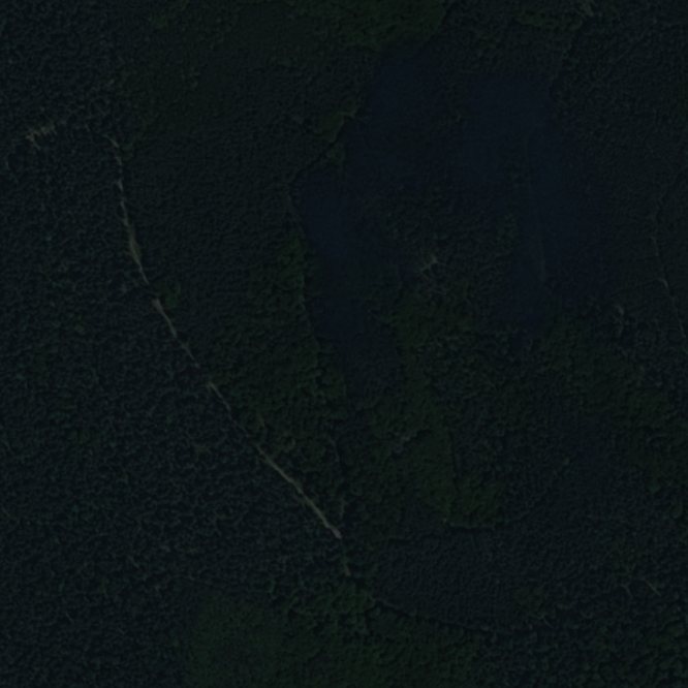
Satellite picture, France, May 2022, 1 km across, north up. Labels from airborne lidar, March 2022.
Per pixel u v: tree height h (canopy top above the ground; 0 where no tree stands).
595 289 20
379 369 24
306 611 22
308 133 25
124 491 23
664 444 20
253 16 18
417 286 13
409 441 19
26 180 27
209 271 14
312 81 21
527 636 26
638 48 18
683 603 31
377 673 23
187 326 21
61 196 14
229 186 22
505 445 29
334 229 26
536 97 32
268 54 16
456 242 29
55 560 26
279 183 23
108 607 28
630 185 15
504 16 27
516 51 31
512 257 26
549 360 25
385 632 26
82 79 30
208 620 17
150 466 19
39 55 27
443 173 23
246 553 19
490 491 25
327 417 28
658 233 14
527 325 36
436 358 25
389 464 26
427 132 30
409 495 28
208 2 21
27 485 29
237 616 15
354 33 26
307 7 23
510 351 34
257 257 25
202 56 20
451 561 22
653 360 25
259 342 22
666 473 22
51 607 31
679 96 15
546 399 22
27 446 30
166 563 28
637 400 18
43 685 32
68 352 15
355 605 27
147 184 18
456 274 30
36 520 11
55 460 27
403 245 20
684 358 22
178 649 14
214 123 20
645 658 27
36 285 27
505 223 26
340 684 23
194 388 31
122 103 21
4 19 26
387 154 30
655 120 19
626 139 17
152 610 29
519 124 30
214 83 18
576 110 21
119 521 28
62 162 11
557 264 24
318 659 26
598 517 22
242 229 19
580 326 25
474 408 29
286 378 24
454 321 22
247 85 26
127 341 31
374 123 29
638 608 26
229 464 20
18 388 27
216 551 26
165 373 29
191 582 12
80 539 26
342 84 18
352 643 27
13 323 26
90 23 30
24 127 28
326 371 28
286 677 18
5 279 28
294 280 28
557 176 16
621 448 24
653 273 18
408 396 23
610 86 22
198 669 18
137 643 24
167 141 17
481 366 27
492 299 29
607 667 27
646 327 22
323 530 30
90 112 29
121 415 30
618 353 26
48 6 26
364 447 24
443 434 23
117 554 25
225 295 21
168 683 28
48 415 23
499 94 29
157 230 21
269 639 17
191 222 18
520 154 33
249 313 22
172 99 18
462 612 26
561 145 25
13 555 7
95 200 20
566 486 20
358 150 29
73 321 28
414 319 25
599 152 18
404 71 27
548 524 21
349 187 23
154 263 19
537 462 24
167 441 27
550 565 20
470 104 32
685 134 15
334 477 28
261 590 18
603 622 24
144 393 16
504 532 20
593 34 17
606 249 18
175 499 15
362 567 29
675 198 20
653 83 16
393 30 20
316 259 24
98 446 26
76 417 24
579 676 27
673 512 25
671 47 15
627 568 31
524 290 29
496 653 25
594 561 23
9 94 31
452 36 28
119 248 16
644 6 23
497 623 23
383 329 24
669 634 25
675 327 17
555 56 30
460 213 30
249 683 16
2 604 29
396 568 26
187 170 21
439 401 28
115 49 25
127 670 27
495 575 19
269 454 32
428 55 25
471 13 21
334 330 26
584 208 17
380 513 23
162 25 18
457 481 26
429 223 23
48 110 29
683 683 31
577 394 22
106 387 30
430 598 29
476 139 30
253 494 31
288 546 26
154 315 21
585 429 23
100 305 32
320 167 19
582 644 26
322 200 29
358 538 25
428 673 24
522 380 29
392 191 23
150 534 31
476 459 23
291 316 22
